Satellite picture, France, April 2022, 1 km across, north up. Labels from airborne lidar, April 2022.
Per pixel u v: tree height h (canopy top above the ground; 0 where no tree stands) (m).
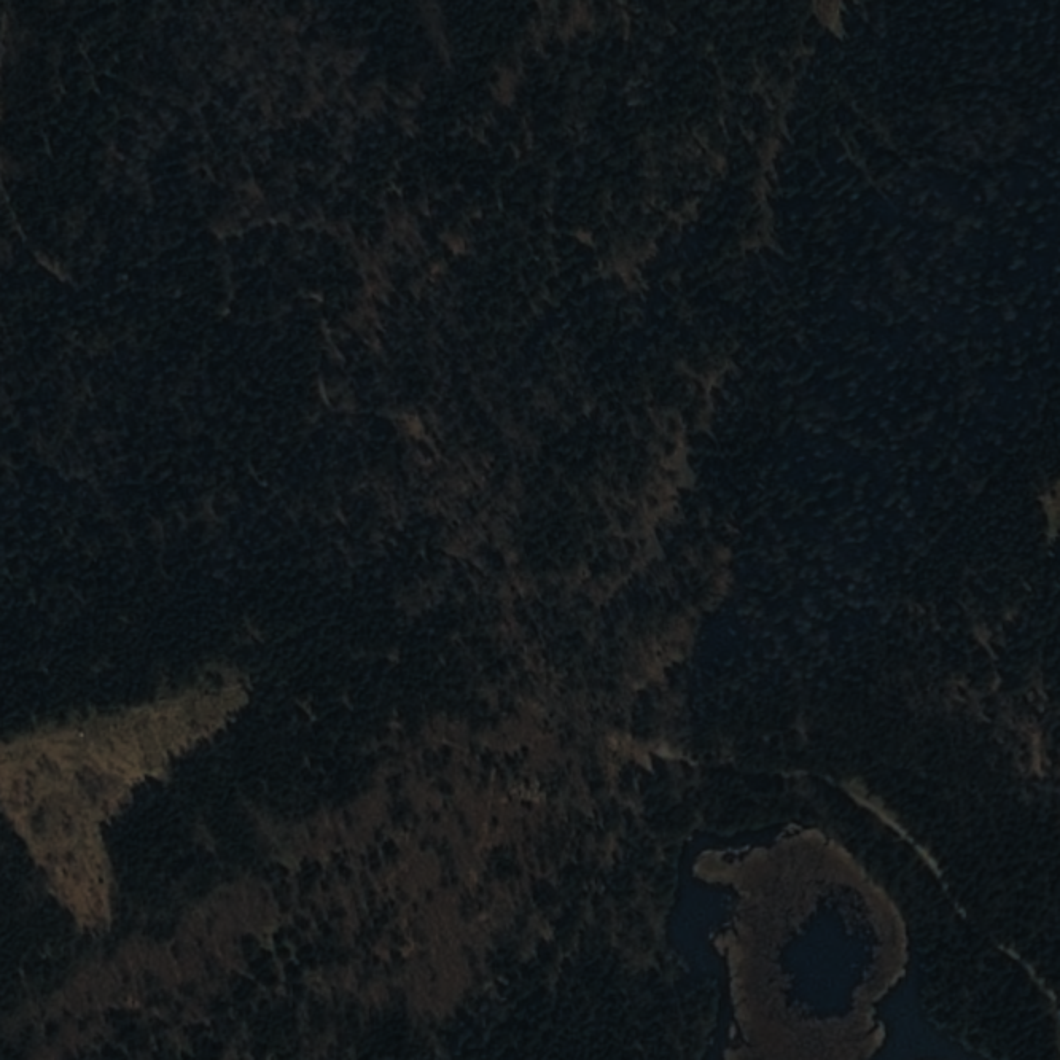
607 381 34
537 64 25
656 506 28
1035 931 33
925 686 17
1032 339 23
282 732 15
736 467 22
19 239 13
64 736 0
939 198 19
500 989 27
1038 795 23
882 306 30
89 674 20
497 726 15
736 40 42
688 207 18
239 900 12
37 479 36
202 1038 14
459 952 19
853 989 0
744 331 19
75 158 17
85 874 0
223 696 9
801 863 0
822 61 20
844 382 15
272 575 12
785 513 41
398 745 8
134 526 21
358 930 8
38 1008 12
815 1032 0
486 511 26
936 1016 27
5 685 12
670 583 18
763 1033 0
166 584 21
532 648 14
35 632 15
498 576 30
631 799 23
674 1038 19
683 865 0
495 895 16
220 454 33
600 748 19
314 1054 18
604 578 22
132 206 22
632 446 34
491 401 27
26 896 20
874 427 20
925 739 17
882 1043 0
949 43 27
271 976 13
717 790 23
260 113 17
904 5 26
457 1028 12
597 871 17
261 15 17
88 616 15
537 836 13
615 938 22
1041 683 25
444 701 14
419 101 15
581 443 28
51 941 17
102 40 16
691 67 41
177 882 13
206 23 25
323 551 33
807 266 29
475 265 13
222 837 16
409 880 10
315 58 28
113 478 25
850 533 30
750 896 0
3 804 13
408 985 14
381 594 23
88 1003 12
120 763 0
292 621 20
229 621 23
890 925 0
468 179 8
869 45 24
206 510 23
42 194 16
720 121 33
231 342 35
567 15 20
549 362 21
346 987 19
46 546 28
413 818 12
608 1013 20
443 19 19
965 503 25
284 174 14
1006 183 31
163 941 14
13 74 20
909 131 29
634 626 30
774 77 30
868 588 25
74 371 13
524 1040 16
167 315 26
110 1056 20
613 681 32
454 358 16
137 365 35
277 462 16
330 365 14
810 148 28
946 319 22
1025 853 29
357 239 12
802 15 36
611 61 35
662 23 41
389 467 16
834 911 0
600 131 25
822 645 21
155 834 15
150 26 22
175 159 20
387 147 18
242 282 19
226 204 14
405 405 26
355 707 10
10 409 31
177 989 16
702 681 21
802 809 19
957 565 16
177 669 15
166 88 17
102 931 14
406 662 10
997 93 24
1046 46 21
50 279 32
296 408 17
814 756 21
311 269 18
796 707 18
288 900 14
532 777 8
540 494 32
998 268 25
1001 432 33
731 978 0
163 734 0
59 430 33
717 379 22
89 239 11
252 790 18
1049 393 34
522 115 16
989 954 19
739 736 19
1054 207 19
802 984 0
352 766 11
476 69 26
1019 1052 27
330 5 23
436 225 13
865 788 13
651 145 32
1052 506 0
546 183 31
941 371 32
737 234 40
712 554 28
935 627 11
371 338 7
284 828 15
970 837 17
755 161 42
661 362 33
